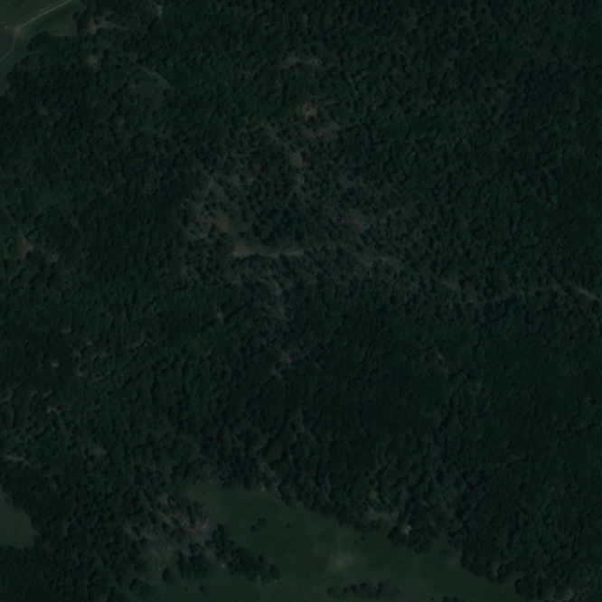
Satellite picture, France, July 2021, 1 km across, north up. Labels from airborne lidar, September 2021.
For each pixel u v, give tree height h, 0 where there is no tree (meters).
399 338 24
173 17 11
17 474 24
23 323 16
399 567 0
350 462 27
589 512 34
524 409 30
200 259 35
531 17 20
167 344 32
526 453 32
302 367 30
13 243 23
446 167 28
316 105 30
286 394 27
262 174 6
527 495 33
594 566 18
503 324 16
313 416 28
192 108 23
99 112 27
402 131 31
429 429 25
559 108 22
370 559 0
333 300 35
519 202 15
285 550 0
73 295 28
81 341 28
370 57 8
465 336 35
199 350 24
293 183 32
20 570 23
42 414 25
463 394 35
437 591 0
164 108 12
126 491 31
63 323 20
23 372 24
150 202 20
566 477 35
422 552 11
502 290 31
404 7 29
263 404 25
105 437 26
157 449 17
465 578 0
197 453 0
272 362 26
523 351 35
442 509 21
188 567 23
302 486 20
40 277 22
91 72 21
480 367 37
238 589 0
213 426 24
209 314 29
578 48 11
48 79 25
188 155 27
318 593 0
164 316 21
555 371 34
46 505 28
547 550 30
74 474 25
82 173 21
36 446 27
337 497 23
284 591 0
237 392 27
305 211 31
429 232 29
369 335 30
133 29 8
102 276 15
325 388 26
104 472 32
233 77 19
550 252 25
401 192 30
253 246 0
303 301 29
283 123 28
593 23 21
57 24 0
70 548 26
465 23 29
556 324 30
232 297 27
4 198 19
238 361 28
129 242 21
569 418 35
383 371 28
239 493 0
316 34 28
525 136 28
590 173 21
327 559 0
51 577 23
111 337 22
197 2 28
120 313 26
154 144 23
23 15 0
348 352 28
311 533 0
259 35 25
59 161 17
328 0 19
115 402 28
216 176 30
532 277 25
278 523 0
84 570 26
